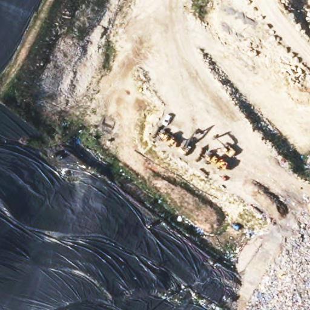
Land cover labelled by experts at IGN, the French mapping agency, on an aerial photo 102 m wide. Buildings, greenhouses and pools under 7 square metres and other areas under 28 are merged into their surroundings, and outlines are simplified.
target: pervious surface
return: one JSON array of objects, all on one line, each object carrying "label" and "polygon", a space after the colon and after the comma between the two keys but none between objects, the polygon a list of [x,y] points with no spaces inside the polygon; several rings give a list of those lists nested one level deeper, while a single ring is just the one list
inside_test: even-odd
[{"label": "pervious surface", "polygon": [[[132,16],[128,13],[132,0],[0,0],[0,310],[310,310],[310,0],[160,0],[161,4],[156,6],[153,13],[138,19],[137,15]],[[136,191],[128,188],[127,184],[131,183],[131,180],[116,171],[111,163],[104,165],[81,148],[77,144],[79,133],[75,132],[65,119],[68,113],[79,115],[79,119],[86,120],[91,133],[101,134],[101,142],[105,148],[110,149],[121,161],[125,161],[133,170],[142,174],[148,185],[157,186],[167,201],[165,206],[149,194],[142,199]]]}]

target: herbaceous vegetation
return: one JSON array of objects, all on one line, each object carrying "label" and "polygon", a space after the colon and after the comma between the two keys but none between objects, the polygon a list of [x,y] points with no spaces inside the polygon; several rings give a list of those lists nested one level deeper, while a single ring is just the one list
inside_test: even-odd
[{"label": "herbaceous vegetation", "polygon": [[116,171],[131,180],[131,183],[127,184],[128,188],[136,191],[142,199],[149,194],[165,206],[167,201],[157,186],[148,185],[142,174],[133,170],[125,161],[121,161],[110,149],[105,148],[101,142],[101,134],[91,133],[86,120],[79,119],[79,115],[68,113],[65,119],[75,132],[79,133],[77,144],[81,148],[104,165],[111,163]]}]

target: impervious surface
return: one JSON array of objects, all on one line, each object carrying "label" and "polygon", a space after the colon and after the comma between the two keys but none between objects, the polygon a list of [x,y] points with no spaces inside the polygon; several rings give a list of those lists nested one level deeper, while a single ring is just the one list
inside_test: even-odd
[{"label": "impervious surface", "polygon": [[137,15],[138,19],[153,13],[156,6],[161,4],[160,0],[132,0],[128,13],[132,16]]}]

